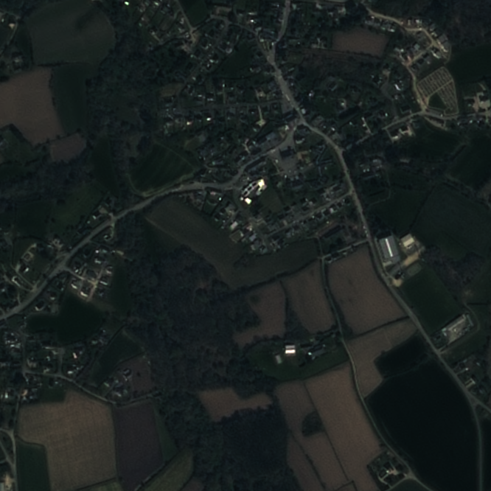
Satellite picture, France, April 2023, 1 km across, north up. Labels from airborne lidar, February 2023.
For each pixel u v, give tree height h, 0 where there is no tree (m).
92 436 0
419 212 7
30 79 0
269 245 0
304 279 0
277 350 0
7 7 9
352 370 0
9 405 6
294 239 0
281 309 0
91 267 0
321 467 0
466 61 0
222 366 11
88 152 8
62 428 0
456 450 0
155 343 26
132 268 6
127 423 0
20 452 0
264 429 15
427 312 0
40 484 0
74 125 0
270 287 0
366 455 0
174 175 0
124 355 0
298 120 0
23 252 0
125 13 10
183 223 0
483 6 18
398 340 0
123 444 0
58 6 0
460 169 0
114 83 6
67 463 0
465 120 11
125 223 7
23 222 0
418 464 0
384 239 0
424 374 0
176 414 12
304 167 0
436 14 13
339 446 0
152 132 17
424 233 0
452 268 12
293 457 0
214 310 16
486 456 0
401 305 0
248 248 0
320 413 0
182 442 9
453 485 0
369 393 0
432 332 0
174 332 24
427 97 0
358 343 0
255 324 14
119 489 0
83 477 0
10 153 0
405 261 0
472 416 0
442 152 0
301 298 0
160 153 0
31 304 0
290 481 15
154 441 0
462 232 0
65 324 0
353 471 0
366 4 0
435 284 0
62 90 0
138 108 11
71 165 13
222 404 0
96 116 9
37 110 0
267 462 17
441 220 0
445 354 0
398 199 0
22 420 0
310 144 0
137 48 14
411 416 0
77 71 0
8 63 0
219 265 0
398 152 16
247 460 18
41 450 0
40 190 12
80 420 0
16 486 0
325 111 0
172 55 20
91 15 0
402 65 11
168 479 0
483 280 0
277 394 0
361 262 0
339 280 0
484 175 0
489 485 0
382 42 0
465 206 0
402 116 0
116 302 0
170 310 19
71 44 0
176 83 9
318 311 0
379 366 0
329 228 14
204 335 16
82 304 0
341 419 0
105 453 0
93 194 0
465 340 0
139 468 0
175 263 15
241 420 20
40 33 0
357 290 0
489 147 0
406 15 12
